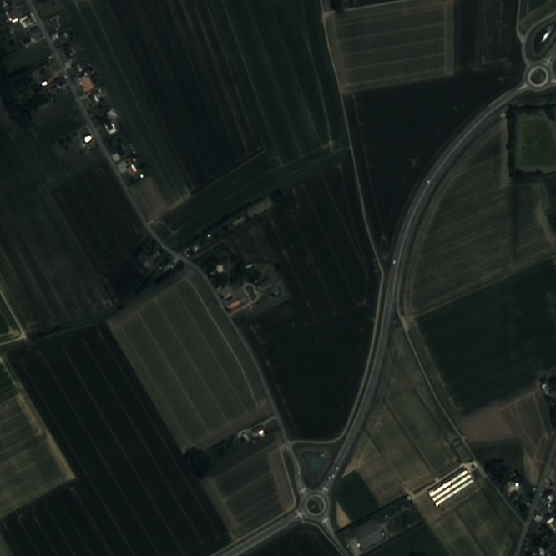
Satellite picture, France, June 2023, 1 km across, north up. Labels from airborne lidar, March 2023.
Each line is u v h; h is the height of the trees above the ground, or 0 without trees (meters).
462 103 0
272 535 0
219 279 8
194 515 0
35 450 0
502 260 0
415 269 0
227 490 0
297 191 0
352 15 0
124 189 0
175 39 0
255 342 0
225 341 0
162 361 0
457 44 0
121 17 0
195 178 0
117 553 0
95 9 0
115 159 0
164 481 0
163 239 0
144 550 0
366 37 0
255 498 0
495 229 0
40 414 0
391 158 0
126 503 0
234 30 0
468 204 0
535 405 0
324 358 0
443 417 0
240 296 0
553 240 0
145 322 0
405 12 0
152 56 0
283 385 0
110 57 0
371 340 0
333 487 0
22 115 26
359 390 0
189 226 0
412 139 0
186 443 0
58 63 0
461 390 0
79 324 0
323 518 0
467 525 0
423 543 0
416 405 0
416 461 0
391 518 0
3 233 0
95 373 0
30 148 0
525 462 0
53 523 0
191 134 0
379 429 0
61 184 0
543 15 0
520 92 0
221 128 0
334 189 0
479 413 0
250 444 0
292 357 0
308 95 0
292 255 0
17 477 0
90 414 0
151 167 0
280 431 0
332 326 0
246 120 0
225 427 0
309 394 0
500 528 0
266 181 0
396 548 0
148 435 0
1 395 0
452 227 0
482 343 0
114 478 0
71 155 0
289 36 0
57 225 0
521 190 0
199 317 0
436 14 0
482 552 0
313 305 0
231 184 0
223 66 0
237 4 0
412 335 0
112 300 0
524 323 0
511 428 0
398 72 0
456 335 0
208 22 0
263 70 0
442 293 0
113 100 0
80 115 0
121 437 0
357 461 0
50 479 0
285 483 0
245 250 0
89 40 0
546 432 0
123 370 0
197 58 0
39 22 0
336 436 0
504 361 0
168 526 0
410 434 0
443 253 0
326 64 0
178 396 0
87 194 0
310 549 0
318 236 0
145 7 0
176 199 0
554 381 10
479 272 0
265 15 0
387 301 0
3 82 24
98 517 0
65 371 0
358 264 0
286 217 0
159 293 0
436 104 0
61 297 0
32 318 0
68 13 0
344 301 0
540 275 0
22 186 0
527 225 0
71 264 0
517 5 0
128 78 0
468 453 0
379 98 0
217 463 0
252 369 0
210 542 0
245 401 0
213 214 0
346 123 0
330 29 0
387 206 0
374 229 0
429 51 0
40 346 0
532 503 0
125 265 0
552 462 0
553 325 0
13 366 0
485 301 0
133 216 0
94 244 0
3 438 0
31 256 0
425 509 0
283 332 0
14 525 0
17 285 0
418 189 0
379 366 0
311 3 0
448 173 0
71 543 0
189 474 0
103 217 0
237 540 0
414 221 0
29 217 0
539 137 0
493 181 0
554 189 0
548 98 0
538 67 0
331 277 0
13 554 0
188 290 0
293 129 0
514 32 0
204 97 0
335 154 0
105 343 0
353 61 0
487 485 0
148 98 0
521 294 0
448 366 0
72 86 0
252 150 0
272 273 0
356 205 0
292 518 0
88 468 0
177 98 0
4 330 0
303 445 0
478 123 0
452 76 0
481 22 0
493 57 0
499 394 0
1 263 0
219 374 0
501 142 0
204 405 0
